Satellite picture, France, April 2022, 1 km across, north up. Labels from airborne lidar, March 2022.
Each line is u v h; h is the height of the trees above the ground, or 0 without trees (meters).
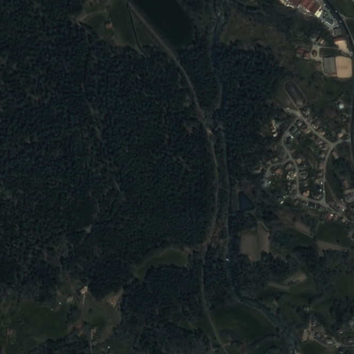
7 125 19
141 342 6
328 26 0
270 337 9
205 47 19
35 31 34
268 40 0
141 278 0
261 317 0
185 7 22
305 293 0
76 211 14
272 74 26
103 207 17
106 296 22
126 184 20
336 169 17
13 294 21
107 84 28
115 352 0
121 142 18
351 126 0
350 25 0
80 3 27
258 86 31
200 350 11
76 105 21
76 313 30
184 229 30
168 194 29
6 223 14
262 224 18
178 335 29
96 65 18
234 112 21
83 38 20
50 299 24
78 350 28
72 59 17
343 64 0
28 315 0
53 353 28
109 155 30
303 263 17
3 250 8
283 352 11
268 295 0
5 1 27
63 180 25
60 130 21
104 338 0
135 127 26
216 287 23
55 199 20
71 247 21
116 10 0
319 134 0
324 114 20
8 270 15
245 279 14
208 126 13
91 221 15
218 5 11
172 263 0
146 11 0
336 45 0
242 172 25
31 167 18
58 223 8
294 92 0
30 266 23
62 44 23
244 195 0
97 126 16
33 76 29
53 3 21
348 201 0
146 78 25
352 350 0
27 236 9
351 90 0
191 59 30
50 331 0
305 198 0
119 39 0
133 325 27
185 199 21
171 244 20
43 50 28
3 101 26
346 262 17
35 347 0
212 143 14
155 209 26
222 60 21
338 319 11
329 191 0
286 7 11
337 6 0
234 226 21
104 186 22
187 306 30
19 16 26
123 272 21
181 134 25
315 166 0
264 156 7
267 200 20
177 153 16
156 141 17
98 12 0
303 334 12
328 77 0
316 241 14
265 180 0
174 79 19
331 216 0
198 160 21
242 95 14
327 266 11
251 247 0
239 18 0
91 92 23
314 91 0
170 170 27
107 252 26
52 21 31
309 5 0
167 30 0
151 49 14
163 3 0
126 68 20
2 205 20
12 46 29
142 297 25
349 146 6
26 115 17
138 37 0
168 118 25
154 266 0
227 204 20
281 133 9
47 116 17
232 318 0
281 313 18
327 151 0
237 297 19
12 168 21
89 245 26
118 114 22
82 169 24
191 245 21
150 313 24
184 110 11
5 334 0
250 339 0
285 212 0
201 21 18
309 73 0
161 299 20
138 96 17
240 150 29
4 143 18
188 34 0
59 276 30
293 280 0
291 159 0
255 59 32
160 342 23
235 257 14
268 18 8
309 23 9
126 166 20
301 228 0
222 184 15
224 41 0
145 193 20
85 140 20
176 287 26
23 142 20
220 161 13
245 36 0
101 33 0
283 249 17
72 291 0
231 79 28
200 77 18
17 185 19
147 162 21
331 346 0
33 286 30
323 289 24
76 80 22
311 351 0
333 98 0
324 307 0
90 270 26
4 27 29
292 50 0
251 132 12
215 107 15
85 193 23
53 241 25
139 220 28
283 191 0
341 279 0
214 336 0
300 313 24
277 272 23
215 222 9
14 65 22
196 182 24
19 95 23
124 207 23
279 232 9
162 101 20
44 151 29
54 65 41
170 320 10
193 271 10
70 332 0
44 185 7
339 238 0
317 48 0
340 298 0
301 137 7
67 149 14
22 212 14
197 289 23
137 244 24
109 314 0
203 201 22
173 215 23
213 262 30
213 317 8
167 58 26
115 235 25
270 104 0
